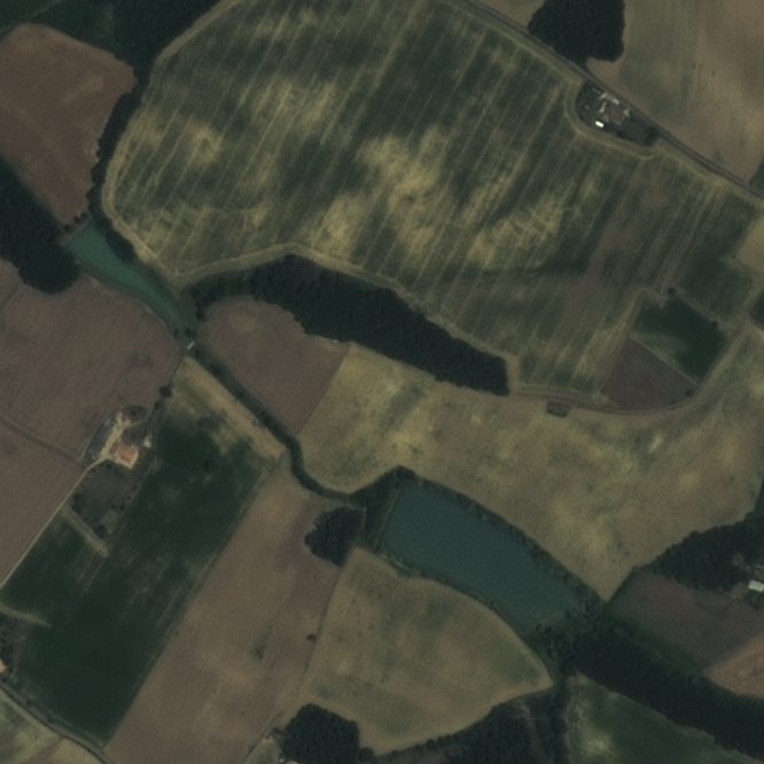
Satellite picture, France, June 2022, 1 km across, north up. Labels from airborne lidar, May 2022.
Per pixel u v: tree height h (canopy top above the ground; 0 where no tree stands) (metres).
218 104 0
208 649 0
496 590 0
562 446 0
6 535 0
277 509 0
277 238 0
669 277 0
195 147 0
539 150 0
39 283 21
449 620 0
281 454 0
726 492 0
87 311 0
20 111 0
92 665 0
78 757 0
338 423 0
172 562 0
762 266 0
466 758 6
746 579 12
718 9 0
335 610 0
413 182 0
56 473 0
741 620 0
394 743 0
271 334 0
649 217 0
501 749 19
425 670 0
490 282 0
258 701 0
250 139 0
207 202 0
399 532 0
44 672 0
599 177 0
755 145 0
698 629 0
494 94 0
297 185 0
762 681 0
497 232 0
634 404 0
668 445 0
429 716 0
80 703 0
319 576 0
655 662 15
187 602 0
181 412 0
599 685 7
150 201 0
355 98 0
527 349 0
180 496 0
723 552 15
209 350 0
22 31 0
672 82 0
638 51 0
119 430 0
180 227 0
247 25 0
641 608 0
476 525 0
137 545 0
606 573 0
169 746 0
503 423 0
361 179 0
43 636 0
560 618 0
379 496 7
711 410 0
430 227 0
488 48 0
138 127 0
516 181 0
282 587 0
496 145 0
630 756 0
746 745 13
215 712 0
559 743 16
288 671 0
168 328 0
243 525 0
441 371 15
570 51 13
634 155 0
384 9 0
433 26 0
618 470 0
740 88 0
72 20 7
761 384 0
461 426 0
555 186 0
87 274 0
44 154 0
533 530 0
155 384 0
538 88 0
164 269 0
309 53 0
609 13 18
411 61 0
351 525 19
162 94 0
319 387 0
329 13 0
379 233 0
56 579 0
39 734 0
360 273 0
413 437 0
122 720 0
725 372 0
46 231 19
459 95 0
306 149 0
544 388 0
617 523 0
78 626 0
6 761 0
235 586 0
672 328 0
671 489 0
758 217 0
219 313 0
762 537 8
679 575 16
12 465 0
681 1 0
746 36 0
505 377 17
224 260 0
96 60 0
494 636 0
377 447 0
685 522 0
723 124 0
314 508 0
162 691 0
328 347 0
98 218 15
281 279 26
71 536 0
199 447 0
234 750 0
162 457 0
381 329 17
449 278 0
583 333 0
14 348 0
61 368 0
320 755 15
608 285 0
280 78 0
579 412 0
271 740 0
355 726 13
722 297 0
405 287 0
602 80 0
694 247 0
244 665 0
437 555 0
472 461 0
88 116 0
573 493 0
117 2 10
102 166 11
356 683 0
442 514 0
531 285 0
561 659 23
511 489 0
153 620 0
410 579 0
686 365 0
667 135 0
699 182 0
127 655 0
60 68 0
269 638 0
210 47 0
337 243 0
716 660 0
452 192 0
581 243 0
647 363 0
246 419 0
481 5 0
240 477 0
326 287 21
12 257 12
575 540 0
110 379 0
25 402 0
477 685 0
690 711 12
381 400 0
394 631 0
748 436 0
